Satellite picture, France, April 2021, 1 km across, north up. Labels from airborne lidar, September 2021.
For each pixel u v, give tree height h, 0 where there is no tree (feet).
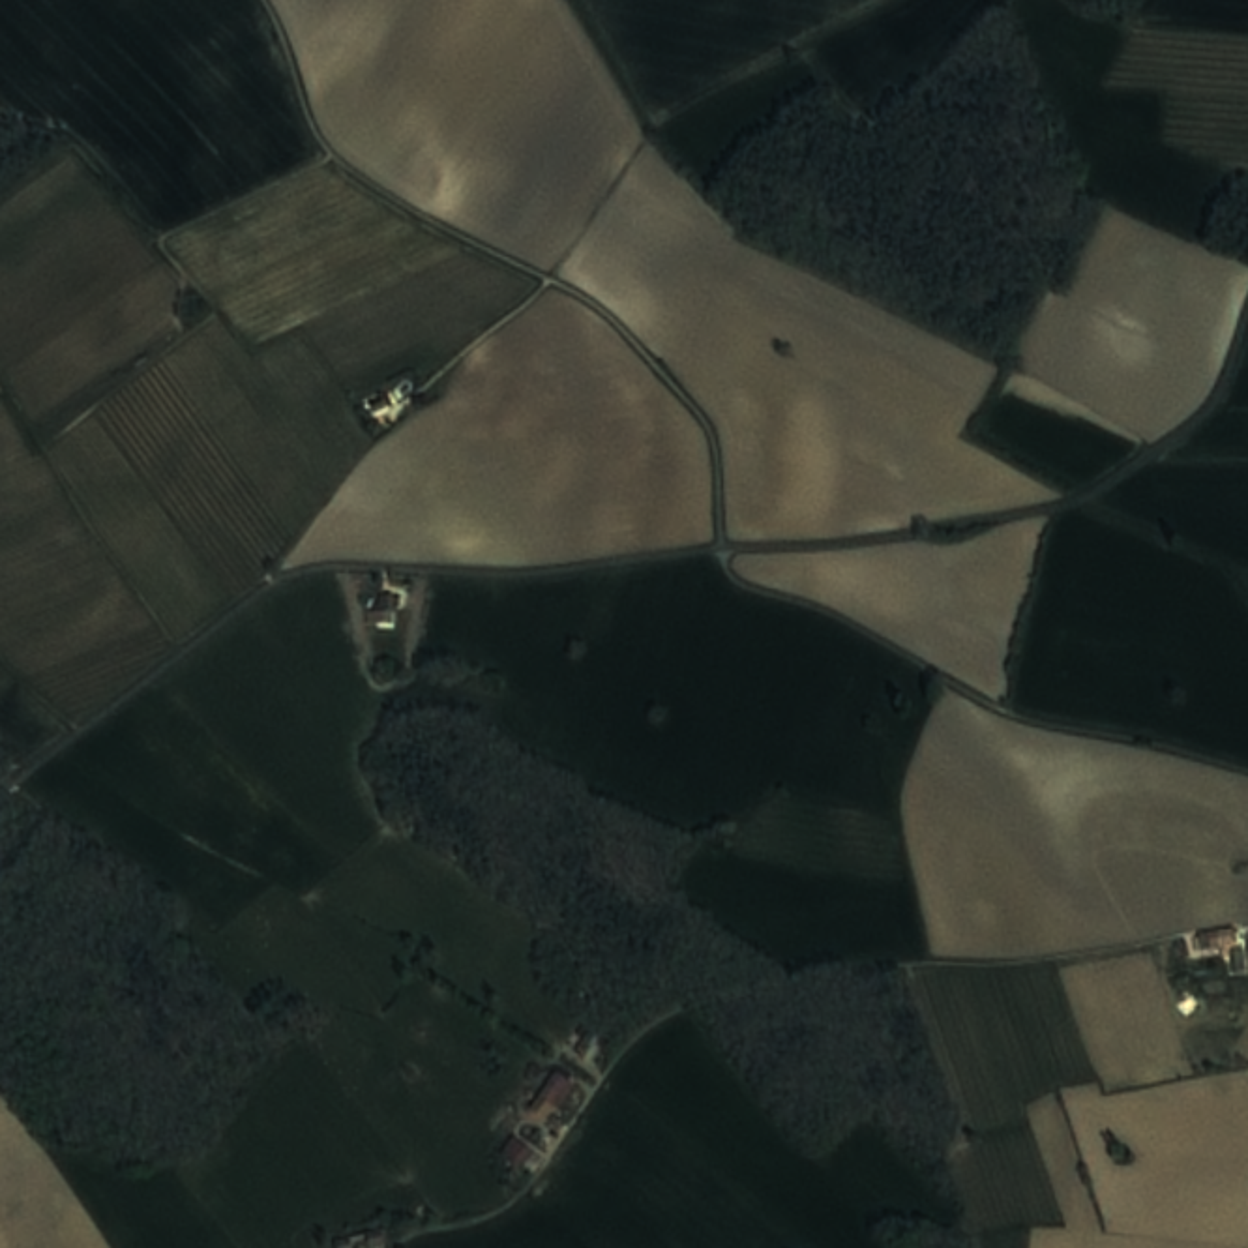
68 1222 0
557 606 0
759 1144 0
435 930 0
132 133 0
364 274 0
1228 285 0
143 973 84
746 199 69
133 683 0
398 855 0
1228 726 0
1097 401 0
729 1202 0
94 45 0
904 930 0
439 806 51
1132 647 0
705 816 0
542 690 0
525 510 0
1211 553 0
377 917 0
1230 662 0
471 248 0
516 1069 0
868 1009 64
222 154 0
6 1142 0
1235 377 0
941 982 0
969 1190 0
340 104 0
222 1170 0
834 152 57
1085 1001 0
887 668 0
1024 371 51
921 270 62
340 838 0
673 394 0
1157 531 0
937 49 0
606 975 41
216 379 0
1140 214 0
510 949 0
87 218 0
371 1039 0
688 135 0
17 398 0
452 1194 0
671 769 0
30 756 0
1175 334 0
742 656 0
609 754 0
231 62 0
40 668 0
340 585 0
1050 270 65
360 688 0
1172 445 0
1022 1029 0
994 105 67
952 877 0
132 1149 78
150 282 0
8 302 0
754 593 0
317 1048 0
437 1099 0
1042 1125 0
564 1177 0
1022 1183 0
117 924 63
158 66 0
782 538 0
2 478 0
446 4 0
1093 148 0
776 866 0
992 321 61
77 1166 0
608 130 0
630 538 0
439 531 0
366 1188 0
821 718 0
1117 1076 0
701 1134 0
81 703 0
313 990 0
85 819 0
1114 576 0
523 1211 0
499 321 0
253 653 0
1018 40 57
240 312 0
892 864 0
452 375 0
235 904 0
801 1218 0
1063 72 0
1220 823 0
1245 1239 0
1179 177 0
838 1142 57
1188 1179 0
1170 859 0
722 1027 48
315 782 0
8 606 0
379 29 0
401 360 0
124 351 0
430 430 0
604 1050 44
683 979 59
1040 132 74
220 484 0
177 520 0
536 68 0
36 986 76
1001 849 0
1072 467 0
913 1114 56
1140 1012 0
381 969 0
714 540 0
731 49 0
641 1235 0
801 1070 57
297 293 0
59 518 0
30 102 0
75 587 0
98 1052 68
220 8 0
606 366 0
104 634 0
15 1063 84
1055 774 0
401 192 0
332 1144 0
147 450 0
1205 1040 0
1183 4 0
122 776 0
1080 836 0
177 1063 51
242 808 0
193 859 0
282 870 0
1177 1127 0
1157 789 0
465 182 0
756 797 0
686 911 64
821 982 61
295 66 0
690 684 0
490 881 57
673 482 0
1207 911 0
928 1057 43
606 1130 0
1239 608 0
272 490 0
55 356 0
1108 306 0
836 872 0
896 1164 0
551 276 0
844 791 0
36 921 64
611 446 0
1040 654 0
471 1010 49
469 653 0
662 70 0
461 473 0
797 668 0
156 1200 0
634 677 0
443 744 32
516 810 46
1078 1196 0
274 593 0
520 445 0
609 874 63
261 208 0
